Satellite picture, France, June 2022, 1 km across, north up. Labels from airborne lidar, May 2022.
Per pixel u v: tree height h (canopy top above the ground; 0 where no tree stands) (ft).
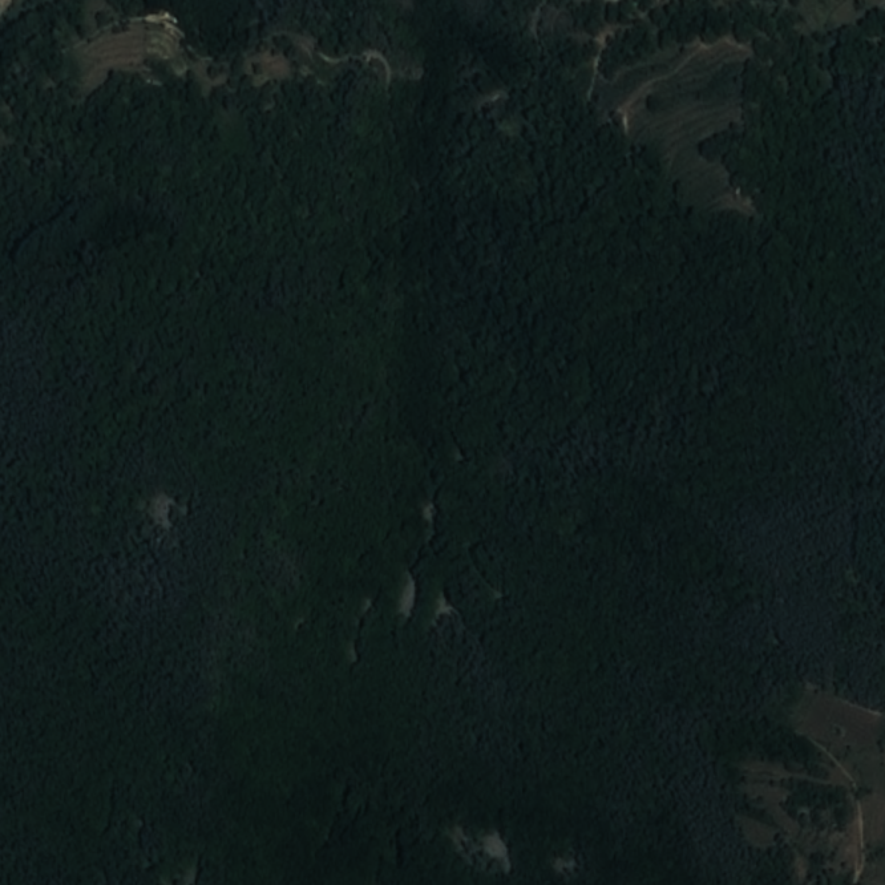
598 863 57
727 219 21
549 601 72
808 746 34
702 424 73
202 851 48
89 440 65
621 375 32
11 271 70
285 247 43
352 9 60
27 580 72
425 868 66
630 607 64
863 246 56
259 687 58
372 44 26
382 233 65
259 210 49
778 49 39
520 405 61
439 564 67
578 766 52
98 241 38
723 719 41
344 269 73
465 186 39
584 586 67
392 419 77
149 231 36
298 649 71
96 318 52
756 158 48
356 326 59
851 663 58
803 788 27
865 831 0
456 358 71
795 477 47
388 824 64
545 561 65
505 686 49
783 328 71
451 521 64
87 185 75
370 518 84
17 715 70
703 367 24
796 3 49
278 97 41
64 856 49
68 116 44
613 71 41
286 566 38
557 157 71
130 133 63
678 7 39
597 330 76
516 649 64
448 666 67
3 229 55
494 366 70
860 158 44
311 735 65
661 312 29
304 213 52
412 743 70
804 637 60
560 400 64
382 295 62
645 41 35
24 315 47
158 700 70
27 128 44
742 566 45
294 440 67
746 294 20
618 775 57
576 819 57
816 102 38
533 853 59
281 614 56
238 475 81
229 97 48
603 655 46
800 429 56
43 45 40
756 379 73
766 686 66
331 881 68
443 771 73
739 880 51
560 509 63
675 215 33
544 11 20
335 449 59
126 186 47
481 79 42
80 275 22
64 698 70
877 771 0
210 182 65
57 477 67
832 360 39
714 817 57
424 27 46
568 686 53
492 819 57
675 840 37
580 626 70
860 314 57
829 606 53
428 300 62
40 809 61
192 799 50
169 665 66
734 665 58
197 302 59
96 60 0
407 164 49
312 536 64
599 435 56
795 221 74
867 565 94
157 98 42
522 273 56
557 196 64
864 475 41
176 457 64
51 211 59
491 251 27
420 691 58
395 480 64
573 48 27
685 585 44
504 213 44
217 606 51
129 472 67
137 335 64
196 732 47
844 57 71
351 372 59
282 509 68
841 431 49
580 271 86
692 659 70
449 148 35
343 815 28
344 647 63
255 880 65
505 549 65
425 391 64
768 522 52
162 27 24
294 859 75
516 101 40
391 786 57
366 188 53
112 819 46
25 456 74
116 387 52
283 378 63
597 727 54
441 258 81
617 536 50
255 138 31
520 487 46
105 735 64
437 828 45
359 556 62
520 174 35
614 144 45
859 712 0
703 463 65
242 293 73
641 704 55
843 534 57
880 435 62
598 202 63
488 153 45
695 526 62
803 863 0
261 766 66
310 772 67
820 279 64
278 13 51
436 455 64
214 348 55
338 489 93
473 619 61
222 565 56
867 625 44
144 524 27
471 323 83
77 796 70
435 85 75
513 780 67
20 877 51
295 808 66
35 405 74
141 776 61
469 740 53
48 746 68
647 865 55
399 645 77
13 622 69
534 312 62
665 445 73
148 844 32
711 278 20
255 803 70
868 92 43
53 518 72
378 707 63
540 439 65
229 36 27
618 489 66
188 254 52
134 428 60
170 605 55
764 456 68
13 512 61
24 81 36
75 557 68
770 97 37
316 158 53
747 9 37
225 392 83
